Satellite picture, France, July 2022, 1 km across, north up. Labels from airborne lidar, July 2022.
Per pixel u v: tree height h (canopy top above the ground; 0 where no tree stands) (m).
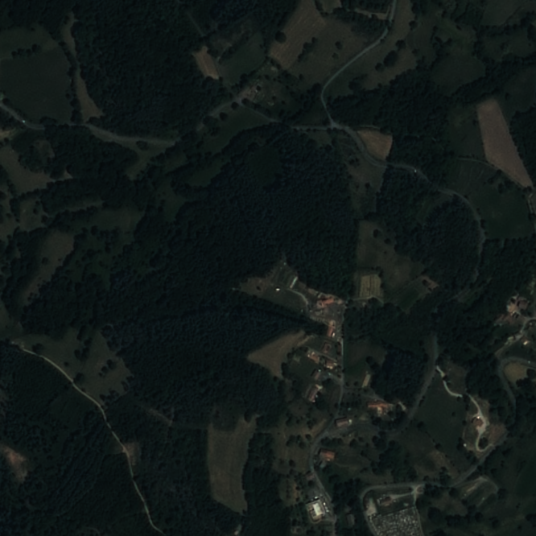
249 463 12
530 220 9
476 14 6
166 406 10
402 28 0
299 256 20
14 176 0
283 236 16
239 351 26
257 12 14
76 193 17
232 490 0
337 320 0
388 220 12
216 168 0
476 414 0
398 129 12
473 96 13
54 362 0
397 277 0
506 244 10
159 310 25
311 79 0
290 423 13
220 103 15
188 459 13
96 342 0
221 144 0
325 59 0
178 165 0
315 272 17
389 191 13
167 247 8
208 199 28
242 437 0
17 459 0
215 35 12
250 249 16
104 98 13
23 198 12
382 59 0
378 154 0
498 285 9
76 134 18
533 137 8
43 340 0
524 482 0
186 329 34
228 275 19
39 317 20
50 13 22
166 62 13
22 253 9
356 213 11
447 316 26
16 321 0
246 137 18
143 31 20
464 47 0
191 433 8
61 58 0
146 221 17
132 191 25
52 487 13
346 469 0
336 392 0
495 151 0
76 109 16
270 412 23
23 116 14
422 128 17
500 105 0
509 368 0
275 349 0
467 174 0
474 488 0
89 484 20
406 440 0
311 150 22
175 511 16
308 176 19
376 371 17
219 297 13
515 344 0
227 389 13
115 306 19
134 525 6
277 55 0
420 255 13
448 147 11
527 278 14
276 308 12
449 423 0
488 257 17
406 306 0
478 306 23
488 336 21
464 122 0
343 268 17
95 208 12
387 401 15
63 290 18
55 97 0
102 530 6
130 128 15
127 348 15
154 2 13
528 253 15
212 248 19
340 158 12
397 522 0
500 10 0
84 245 18
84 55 20
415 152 9
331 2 0
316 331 12
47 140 9
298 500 9
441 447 12
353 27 0
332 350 0
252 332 34
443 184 23
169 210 0
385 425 19
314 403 10
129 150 18
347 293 7
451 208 16
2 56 0
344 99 14
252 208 30
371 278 0
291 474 10
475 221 20
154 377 15
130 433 7
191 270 14
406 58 0
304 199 26
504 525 0
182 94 20
